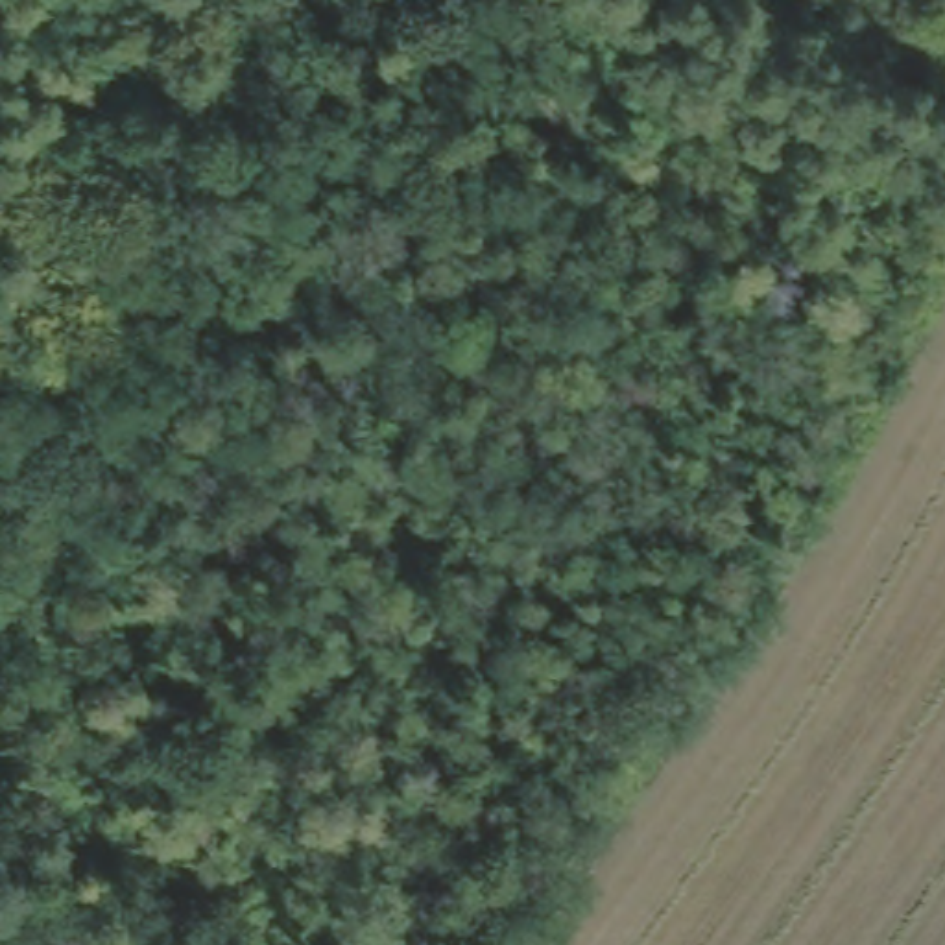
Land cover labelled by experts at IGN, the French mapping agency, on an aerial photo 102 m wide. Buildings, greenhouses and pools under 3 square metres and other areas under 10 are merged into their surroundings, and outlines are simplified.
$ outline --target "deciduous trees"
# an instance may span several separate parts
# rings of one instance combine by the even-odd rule
[[[151,18],[159,15],[162,0],[44,0],[52,4],[52,15],[30,33],[30,48],[48,59],[81,66],[81,74],[96,89],[107,85],[114,74],[148,63]]]
[[[598,299],[602,306],[624,317],[635,317],[657,303],[679,303],[668,281],[650,281],[642,251],[613,247],[594,262],[568,266],[568,281],[583,288],[583,295]]]
[[[247,37],[255,18],[266,18],[273,11],[273,0],[240,0],[229,7],[210,7],[207,22],[199,26],[210,33],[203,48],[203,74],[225,70],[229,78],[240,63],[236,44]]]
[[[207,812],[214,827],[233,812],[247,816],[251,808],[266,805],[269,786],[277,786],[273,760],[251,757],[251,738],[281,720],[262,701],[247,705],[244,720],[233,724],[218,757],[196,757],[188,749],[159,746],[148,760],[137,760],[126,772],[118,772],[114,783],[159,786],[173,797],[177,816]]]
[[[941,314],[923,303],[919,310],[897,314],[886,325],[890,343],[904,354],[908,365],[915,362],[915,347],[934,332]]]
[[[901,384],[879,388],[879,402],[864,402],[845,413],[853,421],[849,436],[838,443],[838,461],[823,480],[823,495],[812,509],[808,535],[794,543],[797,554],[808,557],[819,550],[819,539],[834,524],[842,502],[849,498],[864,461],[875,454],[890,413],[901,402]]]
[[[48,306],[18,306],[11,321],[11,340],[0,340],[0,628],[11,624],[18,609],[44,609],[41,583],[52,568],[59,543],[78,543],[96,568],[118,576],[162,561],[177,546],[192,554],[214,554],[221,546],[233,546],[244,535],[258,535],[262,528],[269,528],[277,517],[295,513],[303,502],[325,502],[332,495],[332,484],[351,480],[354,454],[336,436],[340,406],[325,406],[321,413],[314,413],[306,399],[284,399],[269,406],[266,384],[266,377],[277,365],[284,373],[299,373],[306,362],[317,362],[325,373],[354,373],[373,362],[373,343],[347,340],[351,321],[358,321],[362,306],[340,292],[340,284],[332,284],[336,255],[325,240],[332,240],[332,233],[365,233],[373,225],[373,214],[380,210],[406,236],[432,236],[443,251],[473,255],[484,247],[487,236],[502,229],[539,225],[550,210],[543,196],[458,185],[450,170],[436,166],[436,159],[450,144],[443,137],[432,137],[439,114],[425,107],[421,70],[461,59],[469,44],[476,52],[498,52],[509,59],[520,59],[532,48],[539,70],[517,70],[513,111],[568,122],[568,129],[580,140],[587,140],[587,148],[598,159],[616,162],[624,173],[631,173],[635,166],[657,170],[661,148],[676,137],[687,137],[683,122],[668,122],[668,107],[657,103],[650,92],[628,96],[624,85],[605,81],[594,33],[583,26],[568,26],[561,15],[554,15],[554,0],[447,0],[439,7],[439,30],[425,33],[413,44],[399,44],[395,55],[380,63],[380,78],[388,81],[384,103],[365,100],[362,92],[351,96],[340,129],[325,126],[317,137],[306,140],[303,126],[284,122],[281,151],[266,144],[236,148],[233,140],[192,144],[181,140],[177,129],[166,129],[159,144],[137,144],[126,151],[122,162],[100,155],[85,173],[70,173],[59,185],[52,185],[55,199],[78,196],[78,221],[52,218],[44,240],[59,251],[55,258],[66,258],[78,269],[89,269],[92,277],[81,284],[52,284]]]

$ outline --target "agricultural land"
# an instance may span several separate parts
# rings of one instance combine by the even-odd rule
[[[941,314],[934,332],[915,347],[915,362],[908,365],[908,377],[901,384],[901,402],[890,413],[875,454],[864,461],[849,498],[842,502],[834,524],[819,539],[819,550],[808,557],[801,576],[779,591],[783,613],[772,620],[768,646],[757,653],[753,668],[746,668],[742,679],[720,694],[709,727],[683,753],[668,757],[657,768],[657,775],[646,783],[646,797],[624,819],[624,831],[613,838],[609,853],[591,864],[594,908],[580,923],[580,938],[572,945],[945,945],[945,310]]]

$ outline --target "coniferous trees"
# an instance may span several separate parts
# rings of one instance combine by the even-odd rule
[[[476,52],[469,44],[461,59],[421,70],[425,107],[439,114],[432,137],[443,137],[450,144],[436,159],[436,166],[450,170],[458,185],[543,196],[550,210],[539,225],[502,229],[487,236],[484,247],[473,255],[443,251],[432,236],[406,236],[380,210],[373,214],[373,225],[365,233],[332,233],[332,240],[325,240],[336,255],[332,284],[340,284],[340,292],[362,306],[358,321],[351,321],[347,340],[373,343],[373,362],[354,373],[325,373],[317,362],[306,362],[299,373],[284,373],[277,365],[266,377],[266,384],[269,406],[284,399],[306,399],[314,413],[321,413],[325,406],[340,406],[336,436],[354,454],[351,480],[332,484],[332,495],[325,502],[303,502],[295,513],[277,517],[269,528],[262,528],[258,535],[244,535],[233,546],[221,546],[214,554],[192,554],[177,546],[162,561],[118,576],[96,568],[78,543],[59,543],[52,568],[41,583],[44,609],[18,609],[11,624],[0,628],[0,945],[572,945],[580,938],[580,923],[594,908],[591,864],[609,853],[613,838],[624,831],[624,819],[646,797],[646,783],[657,775],[657,768],[668,757],[683,753],[709,727],[720,694],[742,679],[746,668],[753,668],[757,653],[768,646],[772,620],[783,613],[779,591],[801,576],[808,557],[797,554],[794,543],[808,535],[812,509],[823,495],[823,480],[838,461],[838,443],[849,436],[853,421],[845,413],[864,402],[879,402],[879,388],[901,384],[908,377],[908,365],[904,354],[890,343],[886,325],[897,314],[919,310],[923,303],[941,314],[945,310],[945,0],[554,0],[554,15],[561,15],[568,26],[583,26],[594,33],[605,81],[624,85],[628,96],[650,92],[657,103],[668,107],[668,122],[683,122],[687,137],[676,137],[661,148],[657,170],[635,166],[631,173],[624,173],[616,162],[598,159],[587,148],[587,140],[580,140],[568,129],[568,122],[513,111],[517,70],[539,70],[532,48],[520,59],[509,59],[498,52]],[[624,317],[602,306],[598,299],[583,295],[583,288],[568,281],[568,266],[594,262],[613,247],[642,251],[650,281],[668,281],[679,303],[657,303],[635,317]],[[277,786],[269,786],[266,805],[251,808],[247,816],[233,812],[214,827],[207,812],[177,816],[173,797],[159,786],[114,783],[118,772],[126,772],[137,760],[148,760],[159,746],[188,749],[196,757],[218,757],[233,724],[244,720],[247,705],[262,701],[281,720],[251,738],[251,757],[273,760]]]
[[[380,63],[395,55],[399,44],[413,44],[425,33],[439,30],[439,7],[447,0],[273,0],[273,11],[266,18],[255,18],[247,37],[236,44],[240,63],[229,78],[225,70],[203,74],[203,48],[210,33],[199,26],[207,22],[210,7],[229,7],[240,0],[162,0],[159,15],[151,18],[148,63],[114,74],[107,85],[96,89],[81,74],[81,66],[48,59],[30,48],[30,33],[52,15],[52,4],[44,0],[0,0],[0,340],[11,340],[11,321],[18,306],[48,306],[52,284],[81,284],[92,277],[89,269],[78,269],[66,258],[55,258],[59,251],[44,240],[52,218],[78,221],[78,196],[55,199],[52,185],[59,185],[70,173],[85,173],[100,155],[122,162],[126,151],[137,144],[159,144],[166,129],[177,129],[181,140],[192,144],[233,140],[236,148],[266,144],[281,151],[284,122],[303,126],[306,140],[317,137],[325,126],[340,129],[351,96],[362,92],[365,100],[384,103],[388,81],[380,78]]]

